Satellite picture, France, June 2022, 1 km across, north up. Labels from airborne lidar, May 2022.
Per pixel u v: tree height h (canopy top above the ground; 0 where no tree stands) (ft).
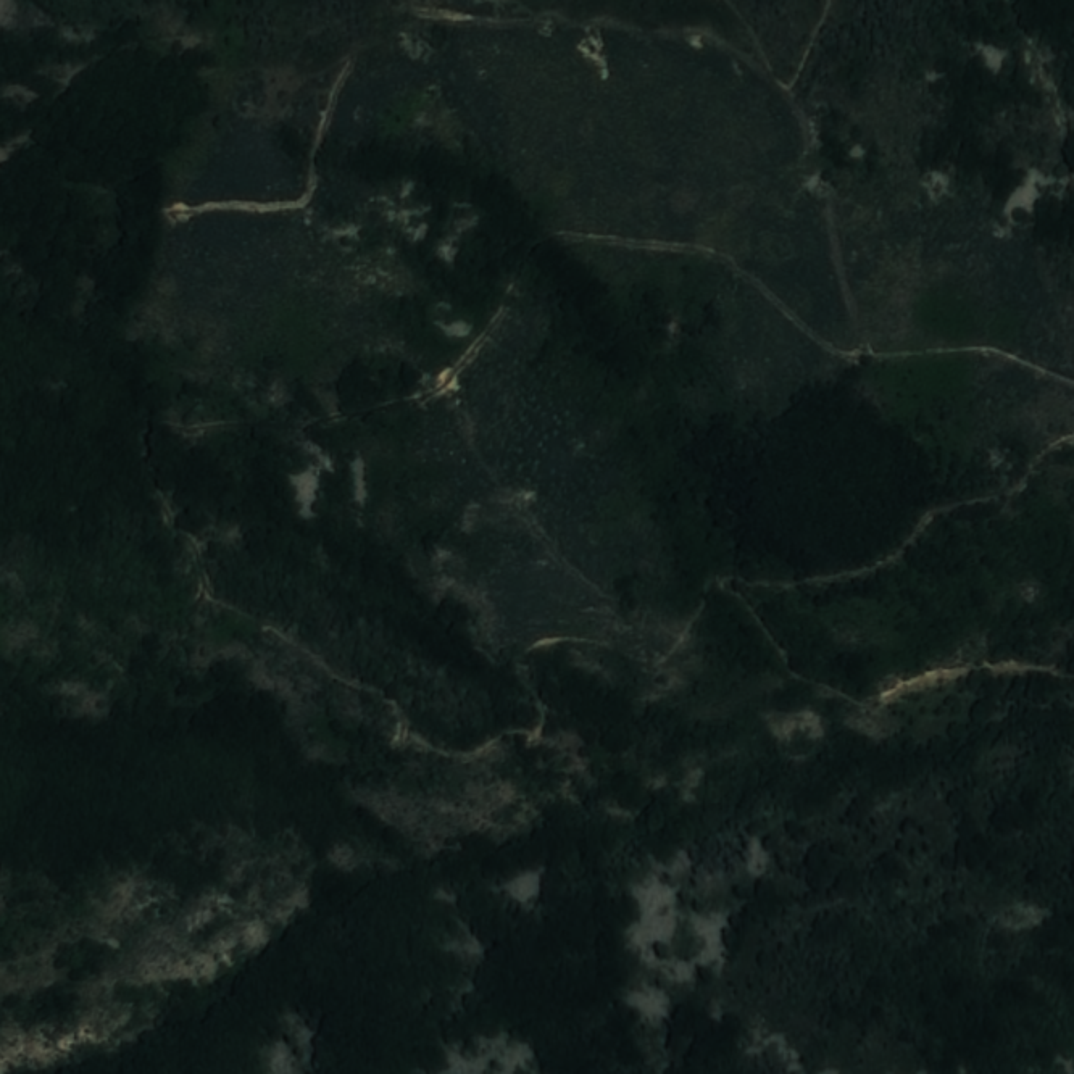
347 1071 52
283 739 36
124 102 63
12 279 46
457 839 24
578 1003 42
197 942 24
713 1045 41
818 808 44
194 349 23
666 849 50
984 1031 41
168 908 20
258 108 0
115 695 25
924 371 0
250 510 58
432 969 42
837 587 48
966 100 35
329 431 25
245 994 78
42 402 83
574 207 0
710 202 0
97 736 41
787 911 31
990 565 37
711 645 19
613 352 61
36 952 25
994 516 33
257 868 21
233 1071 54
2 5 0
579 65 0
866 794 34
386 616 40
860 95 27
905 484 48
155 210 49
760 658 21
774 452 58
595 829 64
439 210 34
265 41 19
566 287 60
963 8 36
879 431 41
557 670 20
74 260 41
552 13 0
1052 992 32
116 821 51
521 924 39
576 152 0
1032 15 65
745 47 0
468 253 52
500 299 22
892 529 45
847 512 65
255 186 0
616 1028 43
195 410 20
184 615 23
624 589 31
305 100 0
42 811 63
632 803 51
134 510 35
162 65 35
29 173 67
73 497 58
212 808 41
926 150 28
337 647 27
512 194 47
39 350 51
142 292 44
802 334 0
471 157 25
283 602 26
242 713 81
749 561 29
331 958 45
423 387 31
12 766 71
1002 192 40
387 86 0
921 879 0
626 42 0
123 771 65
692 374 27
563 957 31
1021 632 32
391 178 26
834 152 23
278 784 40
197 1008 41
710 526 27
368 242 22
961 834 37
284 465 36
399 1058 57
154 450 76
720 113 0
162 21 0
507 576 0
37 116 51
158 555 43
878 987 40
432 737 21
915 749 51
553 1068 54
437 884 35
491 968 45
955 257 0
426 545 31
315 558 21
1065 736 48
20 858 37
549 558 0
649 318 51
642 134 0
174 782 46
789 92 0
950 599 23
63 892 29
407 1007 48
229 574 21
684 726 45
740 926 39
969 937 24
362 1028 51
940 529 32
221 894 25
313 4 19
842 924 43
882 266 0
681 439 25
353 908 67
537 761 33
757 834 31
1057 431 21
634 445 25
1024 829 35
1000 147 31
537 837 53
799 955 19
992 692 64
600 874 38
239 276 0
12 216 76
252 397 18
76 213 70
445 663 46
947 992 42
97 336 63
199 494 61
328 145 38
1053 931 52
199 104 50
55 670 19
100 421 72
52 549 28
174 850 39
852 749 46
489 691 28
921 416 20
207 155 0
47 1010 49
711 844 28
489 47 0
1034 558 26
